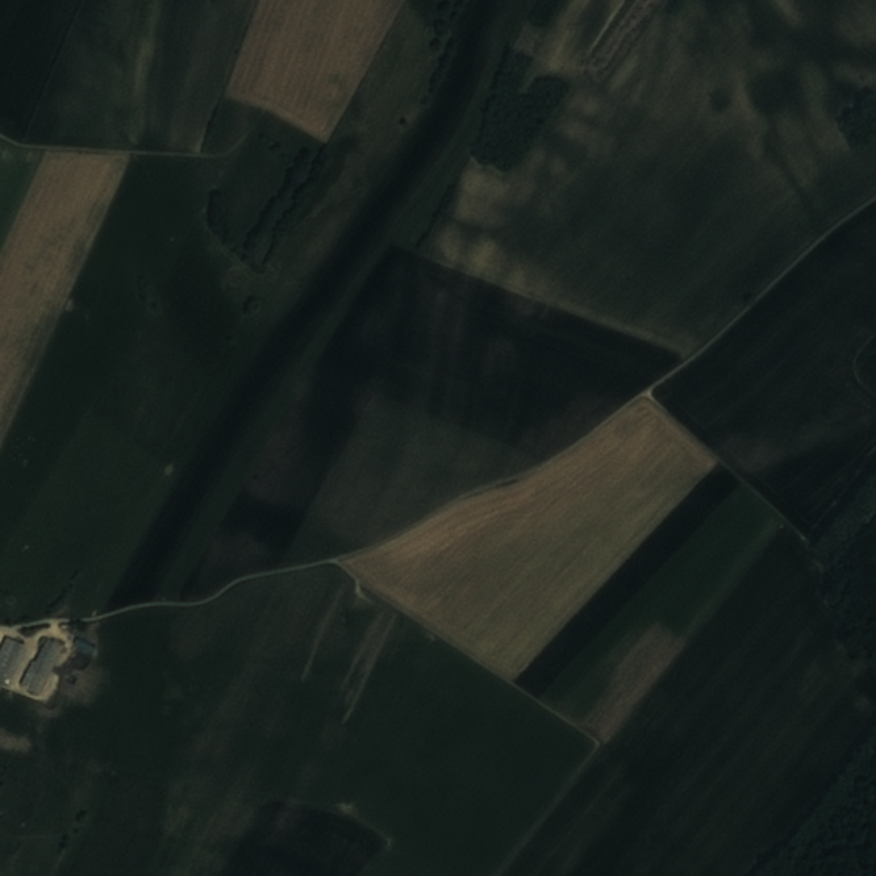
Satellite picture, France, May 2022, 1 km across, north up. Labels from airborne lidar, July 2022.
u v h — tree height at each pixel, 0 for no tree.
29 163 0
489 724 0
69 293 0
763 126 0
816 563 0
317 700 0
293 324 0
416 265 0
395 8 0
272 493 0
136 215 0
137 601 0
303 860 0
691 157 0
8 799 0
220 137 0
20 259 0
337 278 0
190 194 0
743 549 0
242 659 0
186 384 0
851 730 0
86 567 0
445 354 0
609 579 0
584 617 0
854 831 24
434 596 0
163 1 0
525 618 0
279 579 0
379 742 0
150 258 0
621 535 0
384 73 0
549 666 0
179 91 0
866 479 17
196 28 0
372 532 0
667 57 0
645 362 0
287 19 0
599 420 0
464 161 0
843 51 0
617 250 0
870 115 18
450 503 0
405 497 0
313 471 0
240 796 0
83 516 0
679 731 0
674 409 0
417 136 0
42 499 0
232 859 0
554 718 0
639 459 0
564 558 0
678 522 0
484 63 0
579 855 0
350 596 0
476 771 0
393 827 0
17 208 0
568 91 10
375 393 0
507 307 0
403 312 0
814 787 0
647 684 0
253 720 0
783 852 16
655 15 0
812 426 0
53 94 0
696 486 0
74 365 0
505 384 0
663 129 0
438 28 11
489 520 0
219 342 0
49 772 0
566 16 0
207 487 0
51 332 0
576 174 0
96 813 0
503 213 0
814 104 0
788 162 0
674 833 0
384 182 0
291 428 0
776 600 0
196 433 0
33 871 0
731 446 0
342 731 0
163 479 0
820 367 0
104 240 0
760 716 0
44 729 0
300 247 0
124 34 0
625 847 0
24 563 0
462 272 0
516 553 0
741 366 0
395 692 0
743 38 0
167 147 0
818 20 0
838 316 0
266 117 0
